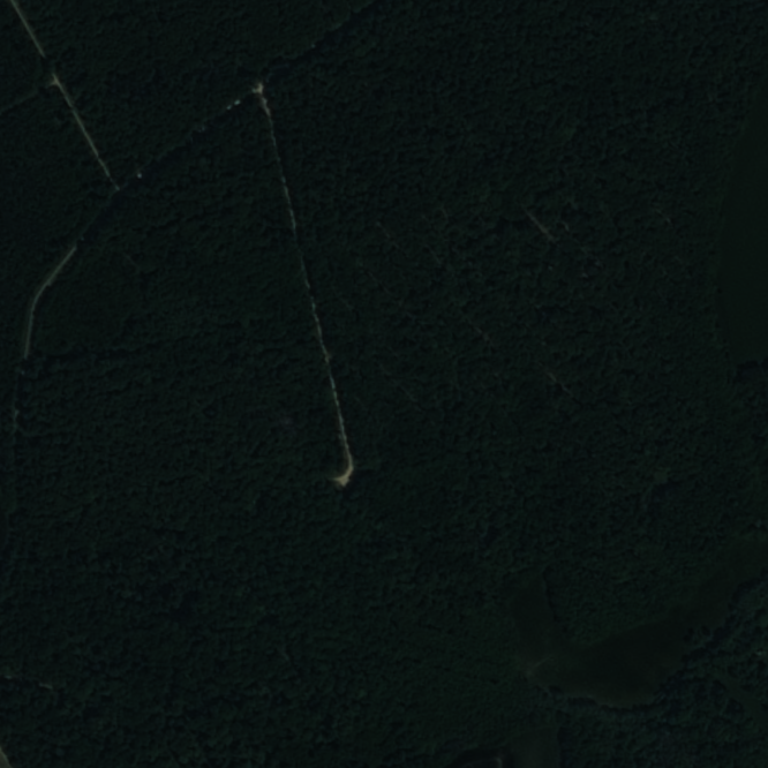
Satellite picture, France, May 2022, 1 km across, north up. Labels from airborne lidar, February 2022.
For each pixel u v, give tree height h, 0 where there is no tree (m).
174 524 31
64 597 23
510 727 20
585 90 25
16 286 14
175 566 30
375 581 30
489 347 23
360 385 25
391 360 25
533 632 0
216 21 6
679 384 26
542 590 0
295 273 24
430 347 25
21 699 28
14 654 28
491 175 26
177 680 33
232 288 24
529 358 28
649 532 25
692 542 20
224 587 34
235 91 23
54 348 12
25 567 26
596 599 20
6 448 22
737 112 16
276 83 23
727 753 28
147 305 19
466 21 29
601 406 26
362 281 24
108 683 34
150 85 21
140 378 30
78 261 10
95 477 28
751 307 0
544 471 28
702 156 25
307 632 31
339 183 25
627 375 28
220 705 35
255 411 22
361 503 28
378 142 29
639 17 27
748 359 0
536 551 24
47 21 23
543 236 27
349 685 29
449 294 27
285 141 25
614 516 24
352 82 29
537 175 25
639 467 26
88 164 19
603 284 27
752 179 0
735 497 25
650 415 29
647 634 0
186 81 25
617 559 25
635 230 30
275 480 28
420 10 24
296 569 30
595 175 28
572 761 23
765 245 0
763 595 18
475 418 28
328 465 24
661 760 26
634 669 0
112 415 31
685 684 22
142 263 23
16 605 26
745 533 17
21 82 12
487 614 24
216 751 30
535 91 27
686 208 24
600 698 0
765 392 22
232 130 27
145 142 23
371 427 23
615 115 30
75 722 30
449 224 24
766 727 0
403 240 25
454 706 21
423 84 29
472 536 21
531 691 21
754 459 17
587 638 21
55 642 32
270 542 27
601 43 26
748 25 29
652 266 26
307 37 25
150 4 23
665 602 17
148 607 35
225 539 29
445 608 23
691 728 23
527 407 23
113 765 32
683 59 24
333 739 23
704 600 0
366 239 22
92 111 21
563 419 26
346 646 29
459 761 0
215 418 30
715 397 23
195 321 24
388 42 27
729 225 0
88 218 11
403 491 26
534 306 28
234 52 24
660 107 28
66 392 29
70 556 28
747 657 9
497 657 19
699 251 24
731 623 14
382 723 25
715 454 21
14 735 25
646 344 28
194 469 29
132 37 22
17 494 16
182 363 23
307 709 28
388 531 28
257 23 23
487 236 26
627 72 26
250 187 29
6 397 16
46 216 7
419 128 28
